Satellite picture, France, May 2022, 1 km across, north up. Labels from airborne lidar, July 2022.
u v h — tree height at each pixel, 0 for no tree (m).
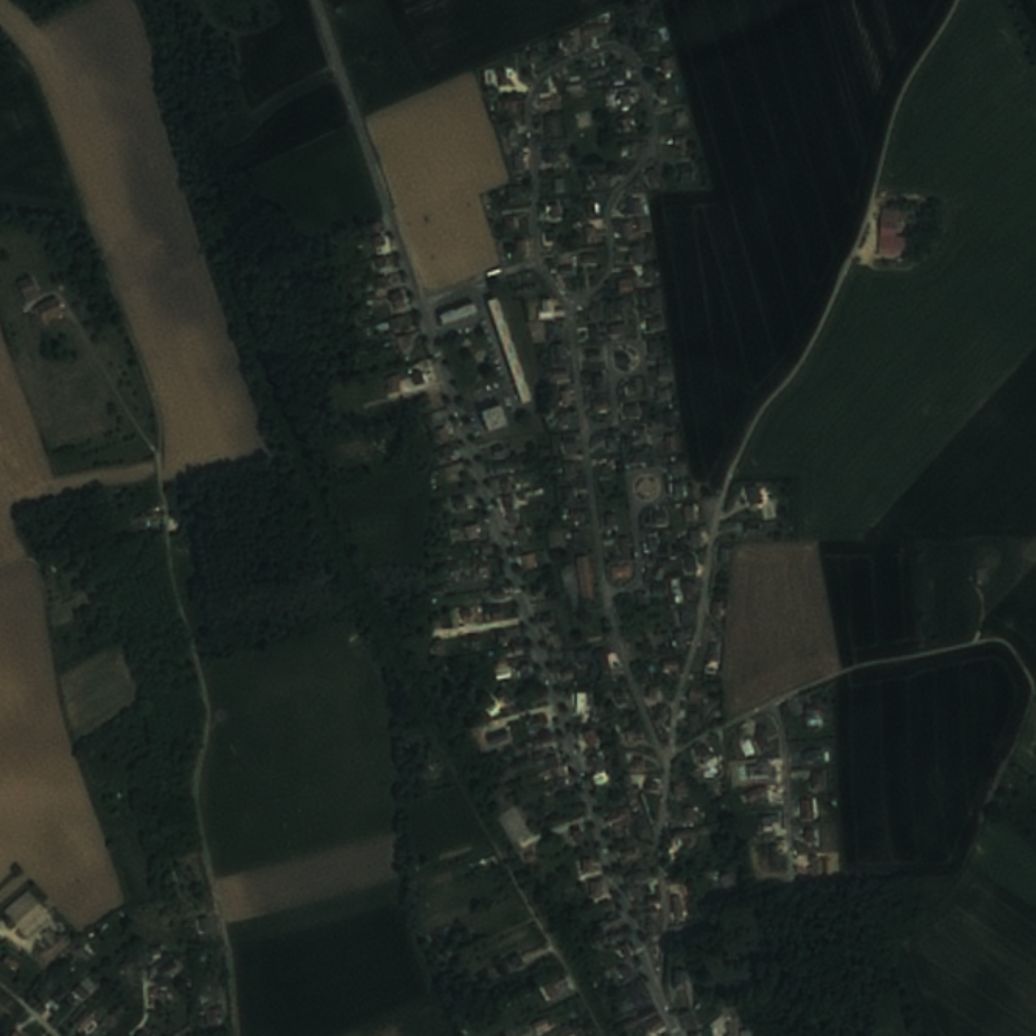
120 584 18
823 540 0
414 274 0
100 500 19
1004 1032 0
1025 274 0
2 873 0
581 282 6
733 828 17
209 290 0
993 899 0
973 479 0
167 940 0
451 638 0
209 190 18
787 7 0
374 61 9
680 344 0
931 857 0
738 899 20
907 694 0
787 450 0
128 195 0
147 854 8
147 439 0
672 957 27
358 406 0
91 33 0
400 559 0
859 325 0
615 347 0
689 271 0
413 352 0
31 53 0
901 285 0
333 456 0
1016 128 0
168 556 14
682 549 5
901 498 0
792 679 0
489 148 0
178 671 20
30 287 0
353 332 15
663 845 10
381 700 0
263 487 21
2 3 0
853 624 0
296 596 13
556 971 6
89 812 0
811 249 0
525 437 0
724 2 0
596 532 0
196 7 0
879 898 21
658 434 0
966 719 0
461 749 21
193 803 8
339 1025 0
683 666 7
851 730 0
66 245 22
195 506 30
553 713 0
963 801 0
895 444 0
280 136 0
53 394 0
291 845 0
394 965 0
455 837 0
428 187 0
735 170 0
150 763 8
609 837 12
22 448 0
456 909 0
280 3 0
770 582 0
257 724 0
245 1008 0
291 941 0
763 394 0
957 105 0
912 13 0
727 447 0
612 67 8
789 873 0
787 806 0
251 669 0
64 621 0
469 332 0
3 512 0
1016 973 0
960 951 0
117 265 0
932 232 18
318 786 0
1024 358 0
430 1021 0
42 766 0
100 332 8
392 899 0
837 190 0
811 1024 20
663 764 0
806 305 0
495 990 22
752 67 0
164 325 0
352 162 0
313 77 0
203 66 7
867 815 0
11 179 0
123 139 0
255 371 24
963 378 0
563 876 6
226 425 0
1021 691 0
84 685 0
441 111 0
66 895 0
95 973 9
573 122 0
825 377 0
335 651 0
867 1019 13
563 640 0
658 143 0
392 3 0
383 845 0
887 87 0
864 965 31
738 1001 21
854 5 0
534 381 0
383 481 0
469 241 0
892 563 0
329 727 0
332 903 0
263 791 0
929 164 0
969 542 0
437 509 6
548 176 5
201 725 13
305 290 35
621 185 0
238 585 22
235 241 26
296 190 0
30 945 0
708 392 0
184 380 0
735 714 0
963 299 0
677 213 0
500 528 0
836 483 0
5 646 0
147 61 0
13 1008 0
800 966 24
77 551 19
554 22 0
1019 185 0
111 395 0
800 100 0
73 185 0
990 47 0
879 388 0
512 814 0
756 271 0
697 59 0
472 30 0
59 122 0
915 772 0
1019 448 0
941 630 0
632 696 0
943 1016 0
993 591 0
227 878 0
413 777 8
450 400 10
